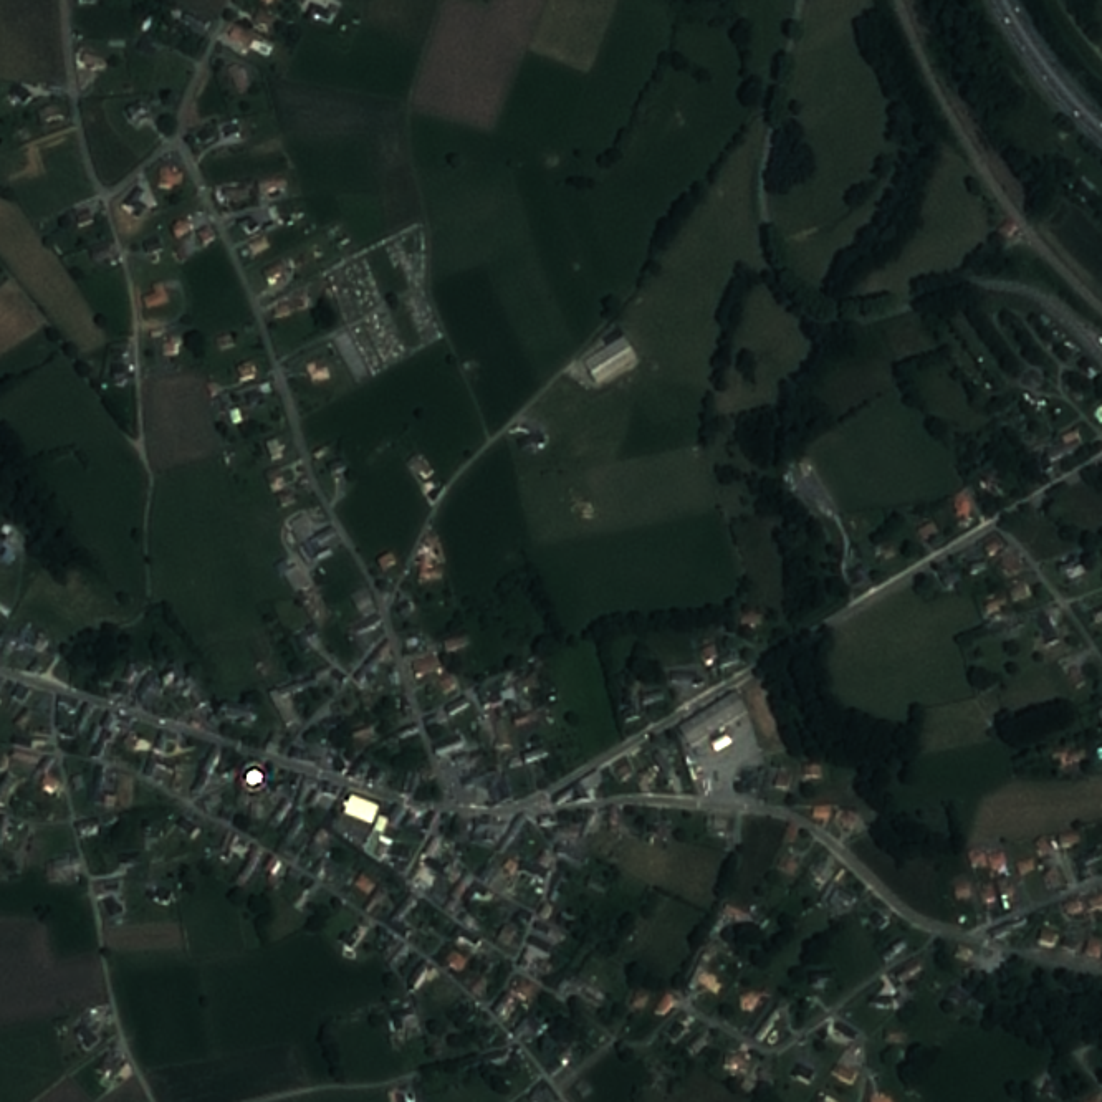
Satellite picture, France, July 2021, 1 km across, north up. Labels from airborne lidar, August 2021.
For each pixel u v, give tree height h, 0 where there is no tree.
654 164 0
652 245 10
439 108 0
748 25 20
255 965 0
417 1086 7
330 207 0
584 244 0
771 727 0
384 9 0
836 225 0
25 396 0
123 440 0
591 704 0
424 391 0
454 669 16
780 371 0
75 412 0
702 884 0
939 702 0
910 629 0
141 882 0
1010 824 0
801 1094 0
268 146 0
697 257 0
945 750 0
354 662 0
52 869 0
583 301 0
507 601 11
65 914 0
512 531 0
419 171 0
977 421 0
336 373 0
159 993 0
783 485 18
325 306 10
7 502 27
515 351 0
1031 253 0
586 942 20
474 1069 9
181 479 0
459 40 0
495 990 7
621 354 0
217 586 0
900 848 19
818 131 0
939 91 0
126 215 0
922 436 0
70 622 0
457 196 0
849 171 0
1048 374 10
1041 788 0
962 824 13
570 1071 0
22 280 0
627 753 0
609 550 0
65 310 0
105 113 0
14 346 0
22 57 0
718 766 0
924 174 26
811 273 0
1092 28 12
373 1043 0
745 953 10
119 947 0
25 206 0
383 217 0
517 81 0
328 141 0
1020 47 0
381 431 0
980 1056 0
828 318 30
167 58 0
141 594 0
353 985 0
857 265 27
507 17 0
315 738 14
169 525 0
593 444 0
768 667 23
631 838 0
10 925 0
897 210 25
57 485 0
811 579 13
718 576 0
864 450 0
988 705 0
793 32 24
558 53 0
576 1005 17
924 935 0
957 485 0
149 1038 0
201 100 0
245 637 0
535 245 0
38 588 0
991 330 18
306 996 0
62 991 0
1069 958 0
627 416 0
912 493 0
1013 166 22
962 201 0
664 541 0
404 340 0
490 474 0
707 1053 7
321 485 0
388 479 0
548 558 0
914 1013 13
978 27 17
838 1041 0
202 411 0
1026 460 7
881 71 16
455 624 10
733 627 20
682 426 0
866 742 27
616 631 20
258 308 0
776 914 8
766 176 11
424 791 8
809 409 22
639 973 22
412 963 7
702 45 0
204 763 0
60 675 0
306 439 0
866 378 0
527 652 0
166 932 0
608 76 0
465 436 0
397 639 0
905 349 0
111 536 0
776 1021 5
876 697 0
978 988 17
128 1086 0
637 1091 12
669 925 0
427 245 0
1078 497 0
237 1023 0
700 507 0
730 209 0
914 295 6
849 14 0
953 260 0
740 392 0
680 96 0
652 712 7
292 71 0
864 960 0
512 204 0
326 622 0
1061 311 0
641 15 0
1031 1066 0
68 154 0
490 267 0
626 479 0
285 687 0
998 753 0
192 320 7
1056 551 0
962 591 12
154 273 0
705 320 0
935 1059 21
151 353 7
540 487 0
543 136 0
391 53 0
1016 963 17
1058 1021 25
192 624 0
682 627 21
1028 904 0
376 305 0
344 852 11
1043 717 28
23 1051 0
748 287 19
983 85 19
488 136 0
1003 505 9
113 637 14
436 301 0
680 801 0
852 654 0
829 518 0
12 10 0
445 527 0
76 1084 0
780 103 23
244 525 0
